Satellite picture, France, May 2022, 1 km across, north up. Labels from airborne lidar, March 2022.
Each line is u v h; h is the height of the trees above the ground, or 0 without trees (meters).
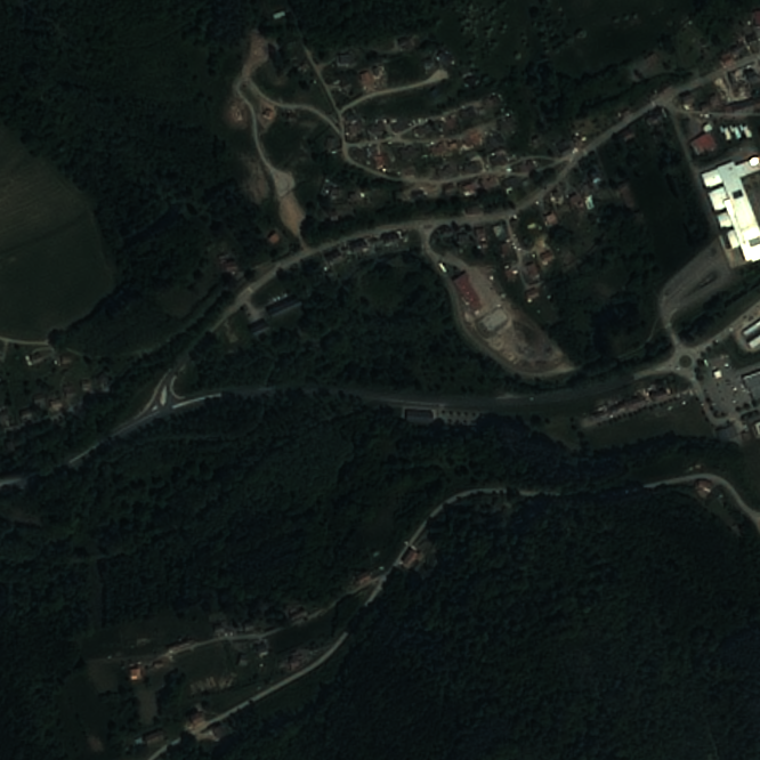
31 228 0
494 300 0
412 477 14
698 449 19
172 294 0
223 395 0
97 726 0
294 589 23
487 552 27
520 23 0
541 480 27
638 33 0
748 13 0
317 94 0
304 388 0
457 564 21
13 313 0
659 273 13
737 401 0
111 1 12
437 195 0
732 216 0
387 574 0
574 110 17
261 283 0
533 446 34
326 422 21
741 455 12
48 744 8
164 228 23
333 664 0
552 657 12
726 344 0
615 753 23
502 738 26
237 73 0
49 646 14
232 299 17
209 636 0
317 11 11
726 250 0
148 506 7
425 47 11
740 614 12
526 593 13
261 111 0
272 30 13
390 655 15
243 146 0
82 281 0
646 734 14
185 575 24
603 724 20
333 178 11
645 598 8
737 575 17
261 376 21
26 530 20
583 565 13
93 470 20
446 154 0
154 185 25
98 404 20
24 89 11
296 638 0
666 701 19
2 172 0
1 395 0
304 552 23
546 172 7
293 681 0
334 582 16
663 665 20
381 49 0
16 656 12
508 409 0
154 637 0
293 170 0
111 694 8
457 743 26
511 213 0
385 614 26
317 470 26
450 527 16
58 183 0
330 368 17
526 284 0
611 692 17
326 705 15
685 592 16
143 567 9
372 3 10
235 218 20
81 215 0
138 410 0
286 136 0
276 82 0
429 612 22
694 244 21
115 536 24
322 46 16
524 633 17
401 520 8
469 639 33
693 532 18
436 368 0
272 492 24
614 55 0
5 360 0
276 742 24
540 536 19
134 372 7
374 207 0
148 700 0
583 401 0
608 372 21
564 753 17
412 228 0
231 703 0
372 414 13
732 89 0
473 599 24
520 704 16
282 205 0
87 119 19
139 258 13
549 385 12
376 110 0
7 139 0
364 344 18
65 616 12
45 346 0
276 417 25
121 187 17
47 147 10
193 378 0
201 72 0
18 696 14
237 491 24
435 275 13
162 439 18
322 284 24
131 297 34
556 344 0
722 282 0
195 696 0
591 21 0
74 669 14
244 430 24
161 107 10
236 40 27
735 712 15
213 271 0
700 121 0
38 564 21
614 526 13
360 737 18
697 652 19
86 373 0
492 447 25
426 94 0
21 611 18
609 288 0
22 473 28
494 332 0
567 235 14
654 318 0
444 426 18
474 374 0
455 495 0
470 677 13
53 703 14
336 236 14
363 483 5
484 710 25
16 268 0
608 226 21
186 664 0
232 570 12
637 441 0
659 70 0
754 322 0
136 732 7
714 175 0
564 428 0
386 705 16
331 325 23
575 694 21
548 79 23
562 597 27
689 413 0
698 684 14
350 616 8
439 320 16
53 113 6
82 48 21
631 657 10
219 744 0
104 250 0
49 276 0
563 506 14
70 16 17
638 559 14
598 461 18
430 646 26
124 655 0
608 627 8
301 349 14
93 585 7
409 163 0
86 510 20
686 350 0
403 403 0
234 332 0
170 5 9
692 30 0
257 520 21
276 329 0
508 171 0
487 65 0
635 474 0
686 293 0
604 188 8
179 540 25
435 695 10
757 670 25
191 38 13
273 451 24
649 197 0
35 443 29
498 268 0
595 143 0
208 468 18
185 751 16
